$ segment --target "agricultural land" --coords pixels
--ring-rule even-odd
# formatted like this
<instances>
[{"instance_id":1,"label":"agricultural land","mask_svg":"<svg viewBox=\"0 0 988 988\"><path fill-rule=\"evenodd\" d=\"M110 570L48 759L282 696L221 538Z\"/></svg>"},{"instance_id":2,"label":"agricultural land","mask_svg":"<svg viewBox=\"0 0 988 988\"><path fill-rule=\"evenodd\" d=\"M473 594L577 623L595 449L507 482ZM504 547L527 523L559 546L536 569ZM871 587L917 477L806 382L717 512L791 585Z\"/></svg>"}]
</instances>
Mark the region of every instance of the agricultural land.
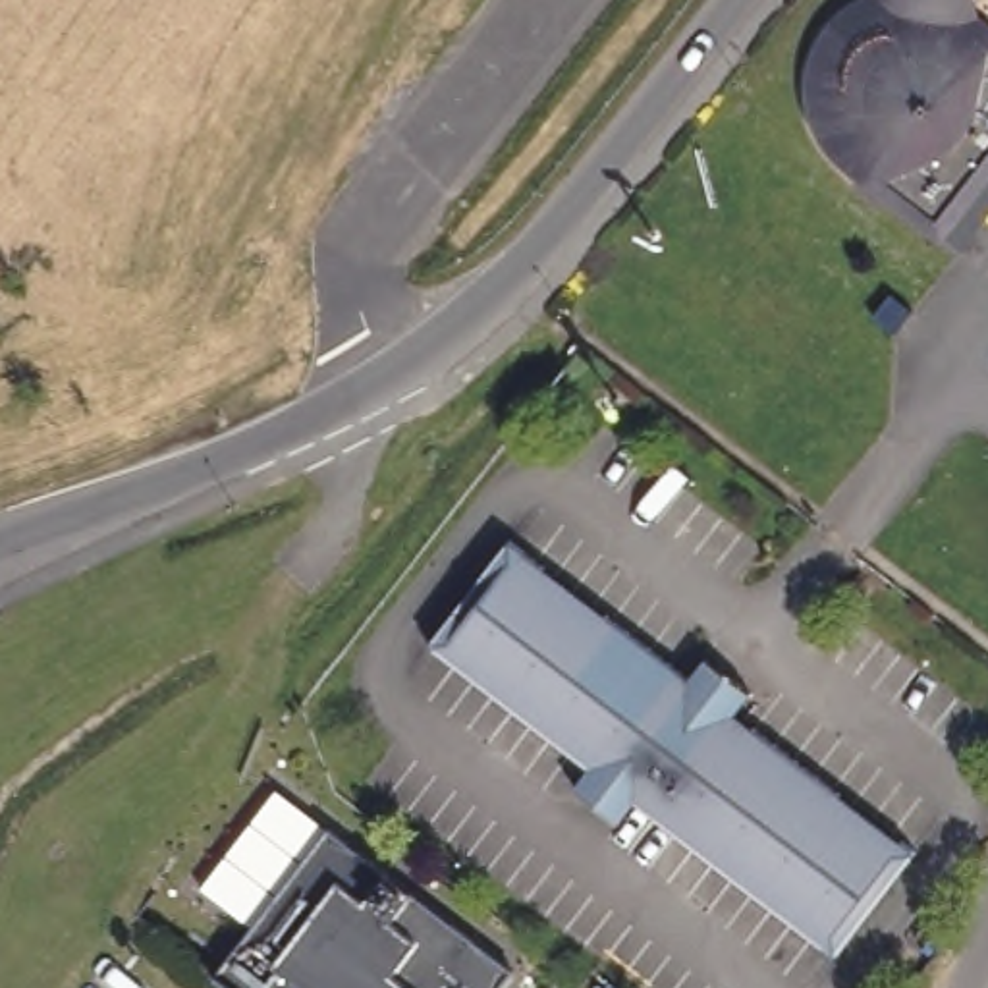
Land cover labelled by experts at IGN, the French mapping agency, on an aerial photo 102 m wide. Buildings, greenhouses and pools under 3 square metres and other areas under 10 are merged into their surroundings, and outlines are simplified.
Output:
<instances>
[{"instance_id":1,"label":"agricultural land","mask_svg":"<svg viewBox=\"0 0 988 988\"><path fill-rule=\"evenodd\" d=\"M243 378L243 371L262 363L278 347L289 351L289 367L282 367L259 386L259 398L278 398L305 382L305 374L316 367L316 355L324 351L313 340L320 309L313 282L316 224L336 201L336 193L347 185L351 158L367 143L394 89L425 73L421 58L428 54L428 46L440 46L440 31L459 23L467 0L0 0L0 405L8 401L15 382L42 378L46 390L27 425L0 421L0 471L15 471L23 479L54 463L81 459L89 448L112 436L139 440L151 432L170 432L181 425L189 409L201 409L208 390Z\"/></svg>"}]
</instances>

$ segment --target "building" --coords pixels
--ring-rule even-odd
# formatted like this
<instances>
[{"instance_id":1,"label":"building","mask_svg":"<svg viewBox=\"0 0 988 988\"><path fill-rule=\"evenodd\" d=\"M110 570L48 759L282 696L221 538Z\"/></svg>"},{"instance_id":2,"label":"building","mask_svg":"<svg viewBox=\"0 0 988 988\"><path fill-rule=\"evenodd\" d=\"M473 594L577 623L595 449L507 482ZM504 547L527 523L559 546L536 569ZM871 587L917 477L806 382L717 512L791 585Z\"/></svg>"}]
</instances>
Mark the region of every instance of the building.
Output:
<instances>
[{"instance_id":1,"label":"building","mask_svg":"<svg viewBox=\"0 0 988 988\"><path fill-rule=\"evenodd\" d=\"M205 884L205 895L239 922L239 949L228 953L220 973L235 976L243 988L498 988L509 973L525 973L525 961L506 953L490 934L467 922L459 911L452 911L444 899L436 899L425 884L417 884L405 872L405 857L394 865L378 861L367 837L351 834L347 826L343 826L340 837L332 837L320 826L313 826L313 818L305 818L297 807L270 795Z\"/></svg>"},{"instance_id":2,"label":"building","mask_svg":"<svg viewBox=\"0 0 988 988\"><path fill-rule=\"evenodd\" d=\"M892 293L892 301L876 305L872 320L892 336L907 320L911 301Z\"/></svg>"},{"instance_id":3,"label":"building","mask_svg":"<svg viewBox=\"0 0 988 988\"><path fill-rule=\"evenodd\" d=\"M845 946L865 930L876 903L903 880L911 857L880 830L872 830L861 814L853 814L841 799L834 799L822 783L799 772L791 760L783 760L776 749L768 749L760 737L741 729L741 695L722 675L714 675L710 668L695 668L695 675L675 675L668 664L633 645L621 629L590 614L583 602L575 602L544 571L536 571L517 548L502 548L479 571L479 587L486 590L482 602L475 610L452 606L452 614L432 637L432 656L463 683L482 691L494 706L502 706L513 722L521 722L533 737L540 737L548 749L579 764L579 787L598 803L594 810L606 822L621 810L648 810L648 830L672 830L672 845L683 845L714 876L737 888L745 899L753 899L764 915L799 934L810 949L841 957Z\"/></svg>"},{"instance_id":4,"label":"building","mask_svg":"<svg viewBox=\"0 0 988 988\"><path fill-rule=\"evenodd\" d=\"M988 0L849 0L822 23L814 46L807 50L807 62L795 62L795 100L814 147L849 181L849 189L865 205L895 212L907 228L922 235L953 208L953 201L965 193L980 162L988 158Z\"/></svg>"}]
</instances>

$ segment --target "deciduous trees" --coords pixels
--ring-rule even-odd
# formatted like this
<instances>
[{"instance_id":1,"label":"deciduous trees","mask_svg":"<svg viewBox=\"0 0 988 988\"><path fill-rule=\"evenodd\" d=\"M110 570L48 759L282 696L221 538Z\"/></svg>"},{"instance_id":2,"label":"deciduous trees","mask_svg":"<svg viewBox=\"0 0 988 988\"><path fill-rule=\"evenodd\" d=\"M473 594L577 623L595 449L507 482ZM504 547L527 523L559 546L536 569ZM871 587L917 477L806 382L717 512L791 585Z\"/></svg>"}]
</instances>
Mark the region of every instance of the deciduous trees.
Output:
<instances>
[{"instance_id":1,"label":"deciduous trees","mask_svg":"<svg viewBox=\"0 0 988 988\"><path fill-rule=\"evenodd\" d=\"M799 637L822 652L853 648L865 633L872 633L872 598L884 590L868 579L853 579L841 583L830 598L814 598L807 610L795 614Z\"/></svg>"},{"instance_id":2,"label":"deciduous trees","mask_svg":"<svg viewBox=\"0 0 988 988\"><path fill-rule=\"evenodd\" d=\"M973 741L961 753L953 753L957 772L965 776L973 795L988 803L988 741Z\"/></svg>"},{"instance_id":3,"label":"deciduous trees","mask_svg":"<svg viewBox=\"0 0 988 988\"><path fill-rule=\"evenodd\" d=\"M930 957L888 957L865 976L861 988L930 988L930 965L942 953L961 953L969 946L976 892L988 892L988 853L961 857L957 876L934 884L930 903L911 907L911 930L926 938Z\"/></svg>"},{"instance_id":4,"label":"deciduous trees","mask_svg":"<svg viewBox=\"0 0 988 988\"><path fill-rule=\"evenodd\" d=\"M502 425L502 444L509 448L509 459L517 467L571 467L598 440L598 432L614 425L602 421L594 398L579 394L567 371L560 371L552 374L548 390L540 390L533 401L521 401L513 417Z\"/></svg>"}]
</instances>

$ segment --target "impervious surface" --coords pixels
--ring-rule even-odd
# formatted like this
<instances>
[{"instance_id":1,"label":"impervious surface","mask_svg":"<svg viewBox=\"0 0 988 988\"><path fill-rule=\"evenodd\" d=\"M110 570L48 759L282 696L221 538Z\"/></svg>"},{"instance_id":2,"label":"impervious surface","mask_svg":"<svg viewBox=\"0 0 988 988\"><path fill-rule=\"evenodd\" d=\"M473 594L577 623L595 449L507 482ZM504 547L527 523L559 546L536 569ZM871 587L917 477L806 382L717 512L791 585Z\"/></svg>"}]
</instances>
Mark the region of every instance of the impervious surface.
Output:
<instances>
[{"instance_id":1,"label":"impervious surface","mask_svg":"<svg viewBox=\"0 0 988 988\"><path fill-rule=\"evenodd\" d=\"M930 965L930 988L988 988L988 892L976 892L969 946L961 953L942 953Z\"/></svg>"},{"instance_id":2,"label":"impervious surface","mask_svg":"<svg viewBox=\"0 0 988 988\"><path fill-rule=\"evenodd\" d=\"M340 837L343 826L301 783L282 776L259 780L232 810L232 818L220 826L220 834L205 845L205 853L193 861L193 876L205 884L270 795L297 807L305 818L313 818L313 826L320 826L332 837Z\"/></svg>"},{"instance_id":3,"label":"impervious surface","mask_svg":"<svg viewBox=\"0 0 988 988\"><path fill-rule=\"evenodd\" d=\"M316 355L316 367L305 374L305 382L278 398L266 413L232 425L216 436L178 444L151 459L0 506L0 614L127 548L174 536L193 521L224 521L228 506L251 502L255 494L274 490L289 479L313 475L324 502L305 521L305 529L282 548L282 567L266 579L262 590L270 606L278 606L289 618L293 602L316 590L355 548L363 502L386 452L386 440L401 425L436 413L479 374L521 355L521 340L540 320L548 293L567 282L567 274L579 266L594 235L602 232L602 224L621 208L621 201L641 193L645 178L660 166L668 139L687 120L699 124L702 108L718 100L722 77L745 58L745 46L753 42L756 27L783 0L706 0L691 15L691 23L668 42L660 62L645 73L645 81L629 93L618 116L575 158L571 174L552 185L544 205L536 205L536 212L506 247L498 247L490 259L482 259L452 282L413 286L409 262L425 255L440 235L448 205L479 178L479 170L517 127L536 93L563 66L571 46L602 15L610 0L486 0L486 8L444 54L444 62L432 73L425 73L394 89L367 143L351 158L347 185L336 193L336 201L316 224L313 282L320 309L313 340L324 351Z\"/></svg>"},{"instance_id":4,"label":"impervious surface","mask_svg":"<svg viewBox=\"0 0 988 988\"><path fill-rule=\"evenodd\" d=\"M830 502L818 502L807 540L791 552L791 563L760 587L745 587L745 571L756 556L753 536L745 536L714 506L699 502L683 486L679 471L668 471L660 482L652 475L633 479L629 440L614 432L614 425L598 432L598 440L571 467L517 467L502 471L490 482L490 490L479 498L467 521L452 533L452 540L440 548L440 556L428 563L428 571L413 583L413 590L398 602L398 610L382 621L382 629L359 656L351 687L367 691L367 702L382 726L390 753L371 776L371 783L363 783L351 795L359 814L347 826L351 834L367 837L371 826L394 814L394 807L401 803L417 818L428 818L440 841L463 849L494 880L502 880L513 899L533 903L552 926L575 938L587 953L618 965L641 988L861 988L865 976L888 957L930 957L926 938L911 930L911 907L930 903L934 884L957 876L961 857L988 853L988 803L973 795L965 776L957 772L953 753L961 753L973 741L988 741L988 714L969 710L953 691L946 691L930 675L930 660L907 660L884 637L872 633L865 633L853 648L822 652L799 637L795 614L807 610L814 598L830 598L841 583L853 579L868 579L884 590L915 594L919 606L930 606L934 621L953 621L988 652L988 633L961 618L946 598L915 583L888 556L880 556L876 536L907 506L919 482L930 475L930 467L953 448L953 440L961 440L965 432L988 436L988 158L980 162L965 193L953 201L953 208L922 235L949 255L949 266L922 301L911 301L907 320L892 336L895 378L888 428L853 467L853 475L837 486L837 494ZM876 903L865 930L845 946L841 957L810 949L799 934L764 915L753 899L745 899L737 888L714 876L683 845L672 845L672 830L648 830L648 810L621 810L606 822L594 810L598 803L579 787L579 764L548 749L540 737L533 737L521 722L513 722L502 706L494 706L482 691L463 683L432 656L432 637L452 614L452 606L475 610L482 602L486 590L479 587L479 571L502 548L517 548L536 571L544 571L575 602L583 602L590 614L621 629L633 645L668 664L675 675L695 675L695 668L710 668L714 675L722 675L741 695L741 729L760 737L768 749L776 749L783 760L791 760L799 772L822 783L834 799L841 799L853 814L861 814L872 830L880 830L911 857L903 880Z\"/></svg>"},{"instance_id":5,"label":"impervious surface","mask_svg":"<svg viewBox=\"0 0 988 988\"><path fill-rule=\"evenodd\" d=\"M776 494L783 494L787 506L791 509L803 494L783 475L764 467L756 455L749 455L733 436L726 436L710 417L675 401L645 367L614 351L610 343L594 340L606 363L629 374L637 386L652 390L664 405L675 405L699 432L722 459L741 459Z\"/></svg>"}]
</instances>

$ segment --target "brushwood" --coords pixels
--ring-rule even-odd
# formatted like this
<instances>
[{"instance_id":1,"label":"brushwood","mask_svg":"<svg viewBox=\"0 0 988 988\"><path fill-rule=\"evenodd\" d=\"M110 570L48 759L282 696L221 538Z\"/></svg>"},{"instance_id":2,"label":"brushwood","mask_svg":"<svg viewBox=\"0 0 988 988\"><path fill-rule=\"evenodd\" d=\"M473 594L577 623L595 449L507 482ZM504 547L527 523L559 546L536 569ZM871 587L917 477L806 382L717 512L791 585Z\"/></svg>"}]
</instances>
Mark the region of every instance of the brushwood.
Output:
<instances>
[{"instance_id":1,"label":"brushwood","mask_svg":"<svg viewBox=\"0 0 988 988\"><path fill-rule=\"evenodd\" d=\"M444 899L452 911L459 911L467 922L490 934L506 953L525 961L525 973L509 973L498 988L641 988L618 965L587 953L575 938L552 926L533 903L513 899L502 880L494 880L463 849L440 841L428 818L417 818L401 803L394 807L394 814L371 826L367 837L378 861L394 865L405 857L405 872L417 884L425 884L436 899Z\"/></svg>"},{"instance_id":2,"label":"brushwood","mask_svg":"<svg viewBox=\"0 0 988 988\"><path fill-rule=\"evenodd\" d=\"M803 494L791 509L787 506L776 509L768 533L753 536L756 556L745 571L745 587L760 587L791 563L791 552L807 540L818 502Z\"/></svg>"},{"instance_id":3,"label":"brushwood","mask_svg":"<svg viewBox=\"0 0 988 988\"><path fill-rule=\"evenodd\" d=\"M151 934L151 942L143 942L135 953L154 961L178 988L208 988L205 965L189 949L178 949L174 942Z\"/></svg>"},{"instance_id":4,"label":"brushwood","mask_svg":"<svg viewBox=\"0 0 988 988\"><path fill-rule=\"evenodd\" d=\"M668 471L679 471L683 486L699 502L714 506L726 490L722 459L699 432L664 421L629 440L633 479L652 475L660 482Z\"/></svg>"},{"instance_id":5,"label":"brushwood","mask_svg":"<svg viewBox=\"0 0 988 988\"><path fill-rule=\"evenodd\" d=\"M0 405L0 421L27 425L46 390L42 378L15 382L8 401Z\"/></svg>"}]
</instances>

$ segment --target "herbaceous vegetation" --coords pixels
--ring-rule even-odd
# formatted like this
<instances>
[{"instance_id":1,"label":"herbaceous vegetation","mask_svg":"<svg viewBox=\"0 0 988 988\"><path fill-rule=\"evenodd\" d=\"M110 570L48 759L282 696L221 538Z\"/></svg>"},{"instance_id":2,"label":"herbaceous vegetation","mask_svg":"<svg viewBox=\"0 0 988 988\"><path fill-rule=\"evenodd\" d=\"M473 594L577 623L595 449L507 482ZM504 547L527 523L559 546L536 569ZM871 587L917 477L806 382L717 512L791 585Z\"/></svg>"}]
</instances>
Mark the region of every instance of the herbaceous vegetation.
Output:
<instances>
[{"instance_id":1,"label":"herbaceous vegetation","mask_svg":"<svg viewBox=\"0 0 988 988\"><path fill-rule=\"evenodd\" d=\"M444 62L444 54L486 8L486 0L467 0L459 23L440 31L440 46L428 46L428 54L421 58L425 73L432 73Z\"/></svg>"},{"instance_id":2,"label":"herbaceous vegetation","mask_svg":"<svg viewBox=\"0 0 988 988\"><path fill-rule=\"evenodd\" d=\"M872 598L872 633L884 637L907 660L930 660L930 675L946 691L953 691L969 710L988 714L988 652L953 621L934 621L930 606L919 606L915 594L884 590Z\"/></svg>"},{"instance_id":3,"label":"herbaceous vegetation","mask_svg":"<svg viewBox=\"0 0 988 988\"><path fill-rule=\"evenodd\" d=\"M606 363L594 340L610 343L614 351L645 367L675 401L710 417L726 436L733 436L749 455L756 455L764 467L783 475L803 494L818 502L830 502L837 494L837 486L853 475L853 467L888 428L895 378L892 336L872 320L876 305L892 301L892 293L911 301L922 301L949 266L949 255L922 235L907 228L895 212L865 205L849 189L849 181L814 147L795 100L795 62L807 62L807 50L814 46L822 23L849 0L783 0L756 27L753 42L745 46L745 58L722 77L718 100L702 108L699 124L687 120L668 139L660 166L645 178L641 193L621 201L621 208L602 224L602 232L594 235L579 266L567 274L567 282L548 293L540 320L521 340L521 355L479 374L436 413L401 425L386 440L386 452L363 502L355 548L316 590L293 602L289 618L278 606L270 606L262 590L266 579L282 567L282 548L305 529L305 521L324 502L313 475L289 479L274 490L255 494L251 502L228 506L224 521L193 521L174 536L127 548L0 614L0 988L178 988L154 961L135 953L143 942L151 942L151 934L174 942L178 949L189 949L205 965L208 988L243 988L235 976L220 973L228 953L239 949L239 922L205 895L205 884L193 876L193 861L205 853L205 845L220 834L220 826L232 818L232 810L259 780L282 776L301 783L343 826L347 826L359 814L351 795L363 783L371 783L371 776L390 753L382 726L367 702L367 691L351 687L359 656L382 629L382 621L398 610L398 602L413 590L413 583L428 571L428 563L440 556L440 548L452 540L452 533L467 521L479 498L490 490L490 482L502 471L517 467L509 459L509 448L502 444L502 425L513 417L521 401L533 401L540 390L548 390L552 374L560 371L567 371L579 394L594 398L602 421L614 425L614 432L629 440L664 421L699 432L675 405L664 405L652 390L637 386L629 374Z\"/></svg>"},{"instance_id":4,"label":"herbaceous vegetation","mask_svg":"<svg viewBox=\"0 0 988 988\"><path fill-rule=\"evenodd\" d=\"M919 482L907 506L876 536L880 556L888 556L915 583L946 598L961 618L988 633L988 436L965 432L961 440L953 440L953 448L930 467L930 475Z\"/></svg>"},{"instance_id":5,"label":"herbaceous vegetation","mask_svg":"<svg viewBox=\"0 0 988 988\"><path fill-rule=\"evenodd\" d=\"M498 247L506 247L536 212L536 205L544 205L552 185L571 174L575 158L618 116L629 93L645 81L645 73L660 62L668 42L691 23L691 15L706 0L610 0L602 15L571 46L563 66L536 93L517 127L479 170L479 178L448 205L440 235L425 255L409 262L413 286L452 282L482 259L490 259Z\"/></svg>"},{"instance_id":6,"label":"herbaceous vegetation","mask_svg":"<svg viewBox=\"0 0 988 988\"><path fill-rule=\"evenodd\" d=\"M776 494L741 459L722 459L726 490L714 506L745 536L753 536L768 533L776 509L787 506L783 494Z\"/></svg>"},{"instance_id":7,"label":"herbaceous vegetation","mask_svg":"<svg viewBox=\"0 0 988 988\"><path fill-rule=\"evenodd\" d=\"M262 363L243 371L243 378L208 390L201 409L189 409L181 425L170 432L151 432L139 440L112 436L89 448L81 459L54 463L23 479L15 471L0 471L0 506L151 459L178 444L216 436L232 425L266 413L278 398L259 398L259 386L282 367L289 367L289 351L278 347Z\"/></svg>"}]
</instances>

